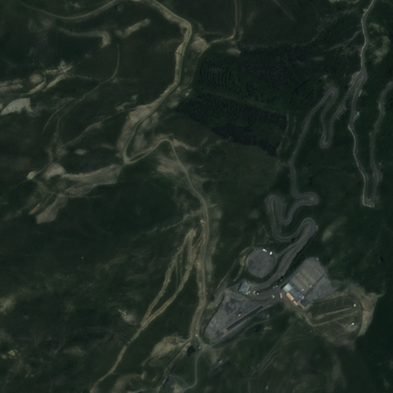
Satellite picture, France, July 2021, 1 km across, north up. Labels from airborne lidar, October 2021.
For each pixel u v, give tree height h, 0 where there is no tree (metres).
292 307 0
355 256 0
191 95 0
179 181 0
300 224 0
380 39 0
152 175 0
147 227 0
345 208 0
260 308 0
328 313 0
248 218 0
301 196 0
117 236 0
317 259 0
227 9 0
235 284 0
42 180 0
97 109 0
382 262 11
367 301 0
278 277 0
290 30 0
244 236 0
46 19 0
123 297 0
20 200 0
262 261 0
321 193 0
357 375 0
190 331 0
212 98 8
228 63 7
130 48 0
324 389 0
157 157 0
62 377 0
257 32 0
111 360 0
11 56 0
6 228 0
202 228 0
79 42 0
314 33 0
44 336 0
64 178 0
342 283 0
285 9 0
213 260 0
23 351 0
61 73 0
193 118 5
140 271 0
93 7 0
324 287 0
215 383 0
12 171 0
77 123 0
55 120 0
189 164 0
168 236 0
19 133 0
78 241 0
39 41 0
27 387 0
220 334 0
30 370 0
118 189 0
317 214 0
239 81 6
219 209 0
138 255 0
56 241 0
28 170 0
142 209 0
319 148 0
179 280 0
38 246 0
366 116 0
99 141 0
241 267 0
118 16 0
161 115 0
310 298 0
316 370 0
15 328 0
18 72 0
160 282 0
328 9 0
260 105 0
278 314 0
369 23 0
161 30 0
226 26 0
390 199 0
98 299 0
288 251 0
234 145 0
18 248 0
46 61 0
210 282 0
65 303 0
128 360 0
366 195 0
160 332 0
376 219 0
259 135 0
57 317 0
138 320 0
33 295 0
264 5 0
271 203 0
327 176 0
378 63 0
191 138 0
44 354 0
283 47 6
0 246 0
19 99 0
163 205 0
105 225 0
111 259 0
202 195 0
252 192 0
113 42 0
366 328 0
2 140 0
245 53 7
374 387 0
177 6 0
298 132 0
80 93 0
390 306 0
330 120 0
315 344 0
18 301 0
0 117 0
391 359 0
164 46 0
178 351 0
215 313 0
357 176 0
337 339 0
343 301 0
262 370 0
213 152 0
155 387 0
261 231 0
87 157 0
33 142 0
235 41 0
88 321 0
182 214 0
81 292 0
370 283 0
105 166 0
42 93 0
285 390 0
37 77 0
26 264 0
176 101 0
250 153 0
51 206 0
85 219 0
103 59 0
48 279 0
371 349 0
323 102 0
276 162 0
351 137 0
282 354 0
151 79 0
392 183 0
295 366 0
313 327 0
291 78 10
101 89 0
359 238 0
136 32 0
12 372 0
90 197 0
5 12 0
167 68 0
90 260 0
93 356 0
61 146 0
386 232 0
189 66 0
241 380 0
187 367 0
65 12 0
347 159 0
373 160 0
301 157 0
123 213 0
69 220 0
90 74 0
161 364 0
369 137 0
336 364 0
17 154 0
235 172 0
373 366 0
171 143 0
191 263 0
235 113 6
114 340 0
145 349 0
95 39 0
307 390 0
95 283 0
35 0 0
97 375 0
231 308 0
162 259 0
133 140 0
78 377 0
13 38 0
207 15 0
